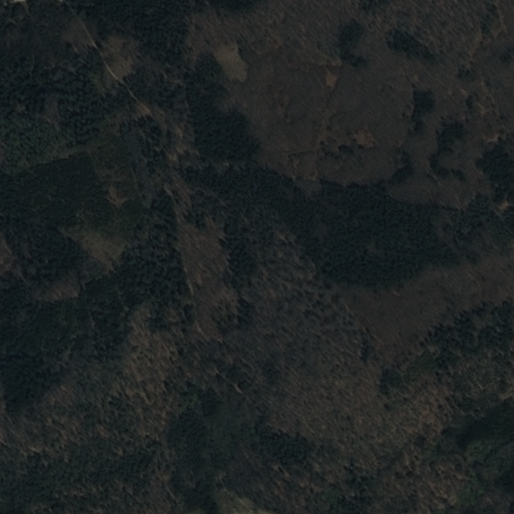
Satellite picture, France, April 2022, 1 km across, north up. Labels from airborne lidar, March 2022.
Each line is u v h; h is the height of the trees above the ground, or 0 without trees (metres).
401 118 9
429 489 25
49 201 8
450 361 22
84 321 11
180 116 33
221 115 24
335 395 15
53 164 8
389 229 26
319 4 23
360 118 11
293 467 28
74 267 24
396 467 23
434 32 25
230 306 17
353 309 11
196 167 25
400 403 17
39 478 24
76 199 9
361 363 24
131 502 28
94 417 20
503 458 27
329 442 23
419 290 8
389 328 17
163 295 8
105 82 25
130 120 24
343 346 24
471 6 25
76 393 22
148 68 24
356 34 25
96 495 30
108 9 20
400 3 24
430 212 27
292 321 23
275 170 14
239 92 18
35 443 24
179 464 21
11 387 22
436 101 14
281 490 28
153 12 13
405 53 10
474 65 12
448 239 17
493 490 27
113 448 21
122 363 19
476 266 25
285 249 24
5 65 21
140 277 7
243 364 19
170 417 23
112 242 0
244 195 22
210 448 21
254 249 21
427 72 16
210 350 22
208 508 20
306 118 11
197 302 22
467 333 15
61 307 10
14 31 16
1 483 22
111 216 7
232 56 0
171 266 22
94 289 11
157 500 29
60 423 15
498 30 6
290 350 21
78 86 36
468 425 13
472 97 9
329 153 7
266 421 23
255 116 24
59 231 19
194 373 24
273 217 19
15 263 8
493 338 22
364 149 12
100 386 17
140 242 22
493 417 15
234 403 20
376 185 12
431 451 20
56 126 28
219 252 22
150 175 31
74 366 24
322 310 24
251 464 26
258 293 23
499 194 19
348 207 25
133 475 26
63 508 19
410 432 18
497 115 7
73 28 16
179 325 15
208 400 31
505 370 12
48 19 15
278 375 15
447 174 17
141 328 22
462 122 11
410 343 10
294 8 19
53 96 29
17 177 9
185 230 28
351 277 27
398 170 9
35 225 22
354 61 26
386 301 11
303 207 24
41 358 13
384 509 24
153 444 9
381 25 23
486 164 17
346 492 23
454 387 21
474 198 20
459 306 14
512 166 19
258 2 20
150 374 25
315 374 16
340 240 25
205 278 24
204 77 22
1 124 26
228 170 26
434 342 24
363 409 17
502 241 20
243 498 25
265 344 26
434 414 28
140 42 25
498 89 17
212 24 21
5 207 27
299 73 11
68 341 11
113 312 10
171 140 15
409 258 25
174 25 28
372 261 28
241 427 20
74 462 21
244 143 25
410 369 8
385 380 15
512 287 6
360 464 28
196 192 24
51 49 12
